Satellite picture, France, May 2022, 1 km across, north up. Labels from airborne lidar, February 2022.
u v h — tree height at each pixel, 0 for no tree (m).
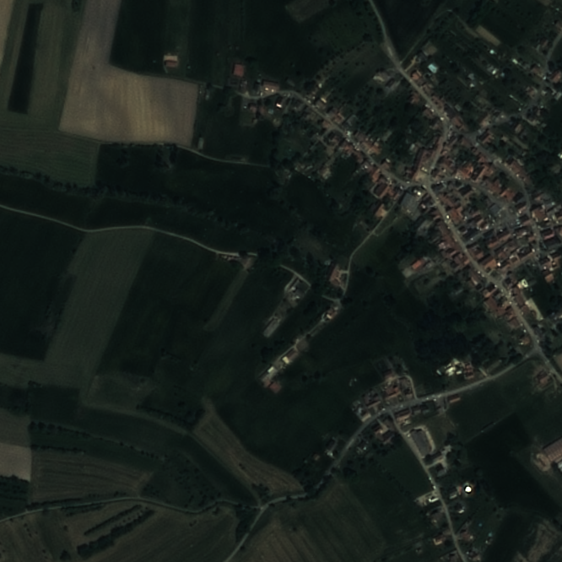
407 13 0
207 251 0
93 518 0
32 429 8
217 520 0
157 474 0
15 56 0
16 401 0
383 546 0
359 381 0
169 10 0
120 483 0
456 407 0
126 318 0
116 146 7
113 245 0
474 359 17
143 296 0
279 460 0
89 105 0
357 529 0
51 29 0
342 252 0
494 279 0
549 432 0
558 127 0
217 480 0
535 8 0
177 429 0
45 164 0
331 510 0
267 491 7
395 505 0
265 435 0
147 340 0
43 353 0
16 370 0
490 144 14
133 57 0
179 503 0
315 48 0
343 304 11
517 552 0
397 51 0
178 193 0
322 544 0
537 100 0
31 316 0
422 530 0
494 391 0
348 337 0
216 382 0
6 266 0
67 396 0
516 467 0
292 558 0
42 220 0
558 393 0
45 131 0
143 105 0
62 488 0
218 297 0
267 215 0
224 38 0
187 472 10
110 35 0
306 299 0
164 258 0
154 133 0
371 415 0
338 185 0
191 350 0
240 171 0
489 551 0
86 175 0
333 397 0
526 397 0
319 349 0
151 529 0
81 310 0
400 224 0
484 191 0
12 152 0
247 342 0
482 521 0
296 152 0
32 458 0
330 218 0
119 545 0
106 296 0
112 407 0
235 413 0
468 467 0
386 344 0
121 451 0
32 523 0
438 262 0
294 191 0
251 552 0
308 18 0
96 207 0
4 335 0
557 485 0
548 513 0
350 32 0
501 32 0
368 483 0
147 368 0
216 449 0
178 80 0
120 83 0
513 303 0
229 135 0
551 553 0
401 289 0
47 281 0
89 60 0
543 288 0
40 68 0
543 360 0
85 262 0
